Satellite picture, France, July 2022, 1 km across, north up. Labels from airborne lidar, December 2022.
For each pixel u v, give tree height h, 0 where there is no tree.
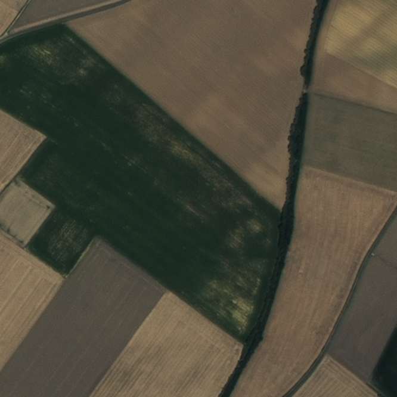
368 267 0
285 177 0
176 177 0
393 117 0
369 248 0
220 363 0
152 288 0
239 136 0
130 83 0
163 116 0
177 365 0
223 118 0
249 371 0
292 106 0
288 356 0
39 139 0
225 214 0
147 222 0
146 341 0
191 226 0
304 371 0
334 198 0
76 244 0
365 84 0
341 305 0
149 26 0
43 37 0
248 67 0
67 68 0
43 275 0
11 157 0
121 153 0
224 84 0
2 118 0
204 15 0
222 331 0
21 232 0
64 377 0
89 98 0
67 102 0
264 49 0
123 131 0
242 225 0
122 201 0
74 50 0
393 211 0
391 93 0
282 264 12
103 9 0
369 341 0
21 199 0
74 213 0
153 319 0
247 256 0
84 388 0
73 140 0
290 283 0
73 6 0
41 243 0
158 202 0
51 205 0
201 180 0
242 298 0
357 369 0
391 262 0
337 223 0
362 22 0
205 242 0
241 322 0
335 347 0
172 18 0
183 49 0
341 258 0
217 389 0
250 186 0
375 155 0
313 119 0
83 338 0
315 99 0
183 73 0
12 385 0
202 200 0
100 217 0
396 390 0
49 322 0
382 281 0
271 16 0
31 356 0
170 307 0
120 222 0
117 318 0
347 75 0
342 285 0
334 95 0
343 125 0
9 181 0
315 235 0
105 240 0
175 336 0
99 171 0
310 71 14
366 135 0
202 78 0
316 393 0
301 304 0
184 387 0
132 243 0
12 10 0
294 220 15
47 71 0
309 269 0
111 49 0
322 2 7
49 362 0
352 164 0
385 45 0
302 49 0
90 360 0
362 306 0
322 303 0
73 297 0
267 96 0
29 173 0
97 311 0
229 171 0
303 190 0
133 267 0
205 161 0
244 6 0
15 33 0
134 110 0
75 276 0
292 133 13
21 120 0
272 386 0
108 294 0
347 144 0
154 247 0
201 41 0
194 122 0
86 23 0
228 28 0
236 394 0
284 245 12
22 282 0
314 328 0
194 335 0
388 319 0
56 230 0
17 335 0
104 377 0
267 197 0
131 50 0
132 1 0
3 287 0
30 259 0
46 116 0
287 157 0
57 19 0
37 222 0
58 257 0
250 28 0
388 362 0
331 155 0
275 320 0
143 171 0
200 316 0
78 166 0
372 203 0
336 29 0
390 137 0
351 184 0
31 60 0
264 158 0
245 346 9
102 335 0
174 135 0
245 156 0
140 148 0
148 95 0
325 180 0
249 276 0
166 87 0
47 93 0
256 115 0
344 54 0
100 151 0
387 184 0
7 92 0
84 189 0
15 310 0
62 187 0
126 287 0
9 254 0
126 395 0
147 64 0
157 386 0
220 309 0
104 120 0
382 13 0
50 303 0
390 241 0
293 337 0
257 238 0
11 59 0
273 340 0
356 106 0
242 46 0
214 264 0
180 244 0
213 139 0
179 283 0
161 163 0
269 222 0
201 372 0
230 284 0
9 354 0
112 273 0
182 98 0
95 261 0
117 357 0
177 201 0
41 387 0
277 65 0
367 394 0
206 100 0
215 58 0
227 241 0
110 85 0
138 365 0
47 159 0
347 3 0
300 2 0
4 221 0
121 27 0
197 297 0
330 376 0
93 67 0
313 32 6
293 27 0
